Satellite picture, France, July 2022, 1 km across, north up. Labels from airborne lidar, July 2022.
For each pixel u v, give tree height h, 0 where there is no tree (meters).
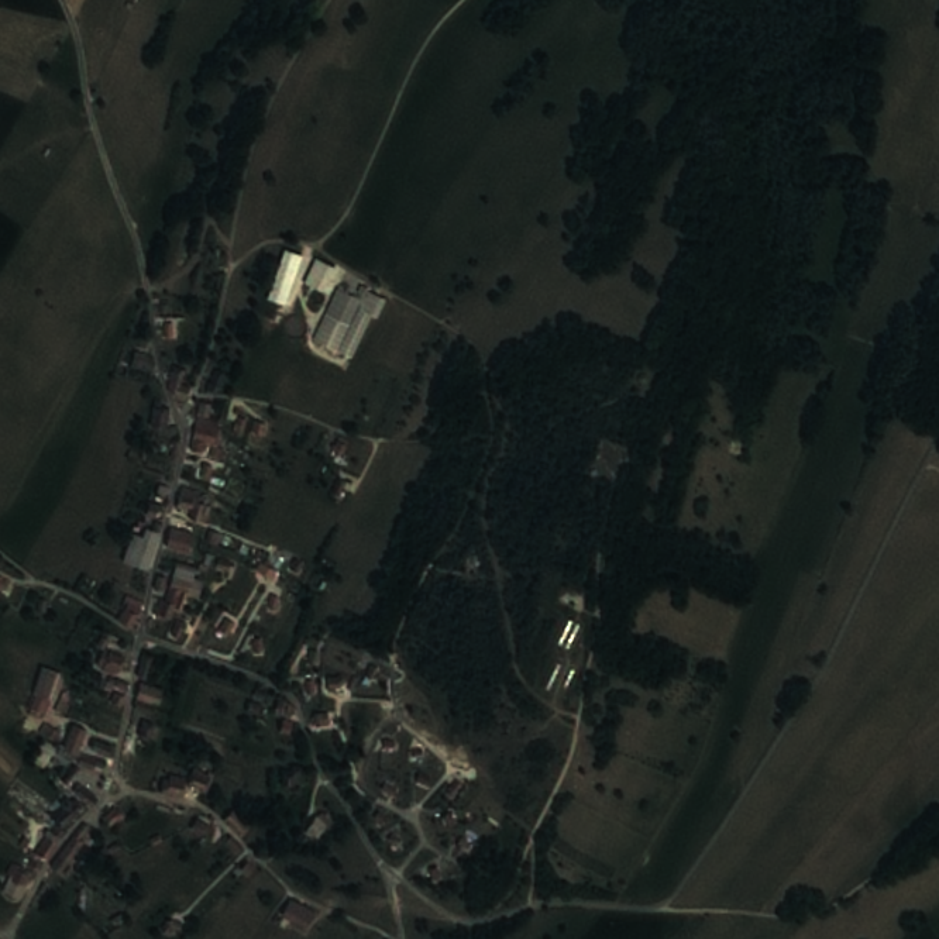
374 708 0
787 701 17
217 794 13
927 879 0
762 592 0
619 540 12
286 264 0
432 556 9
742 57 14
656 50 21
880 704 0
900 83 0
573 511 8
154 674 11
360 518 0
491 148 0
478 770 0
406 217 0
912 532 0
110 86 0
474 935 7
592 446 8
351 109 0
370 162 0
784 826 0
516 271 0
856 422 0
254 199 0
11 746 0
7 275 0
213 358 10
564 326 16
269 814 24
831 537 0
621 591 14
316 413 0
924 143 0
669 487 14
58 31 0
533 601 6
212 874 7
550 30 0
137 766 0
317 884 19
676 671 16
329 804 6
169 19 14
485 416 6
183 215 14
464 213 0
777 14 24
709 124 19
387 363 0
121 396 0
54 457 0
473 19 0
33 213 0
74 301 0
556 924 0
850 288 22
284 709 0
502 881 14
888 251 0
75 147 0
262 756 0
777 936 0
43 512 0
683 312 10
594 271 14
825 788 0
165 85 0
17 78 0
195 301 13
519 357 17
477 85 0
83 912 13
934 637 0
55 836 0
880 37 17
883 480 0
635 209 17
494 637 7
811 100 25
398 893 0
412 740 0
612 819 0
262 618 0
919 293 0
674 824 0
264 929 0
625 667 13
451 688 7
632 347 12
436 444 5
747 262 17
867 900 0
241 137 22
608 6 18
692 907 0
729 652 0
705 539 15
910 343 20
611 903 0
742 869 0
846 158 14
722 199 15
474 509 13
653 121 0
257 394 0
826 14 21
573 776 0
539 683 0
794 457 0
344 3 0
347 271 0
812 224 25
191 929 10
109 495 0
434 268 0
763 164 9
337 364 0
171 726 6
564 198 0
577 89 0
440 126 0
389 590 15
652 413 13
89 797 0
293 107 0
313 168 0
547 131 0
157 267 13
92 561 0
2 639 0
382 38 0
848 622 0
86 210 0
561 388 11
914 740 0
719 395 0
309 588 8
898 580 0
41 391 0
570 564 12
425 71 0
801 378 0
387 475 0
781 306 26
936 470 0
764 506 0
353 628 9
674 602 8
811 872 0
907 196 0
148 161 0
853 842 0
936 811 16
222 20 0
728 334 15
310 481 8
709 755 0
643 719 0
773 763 0
